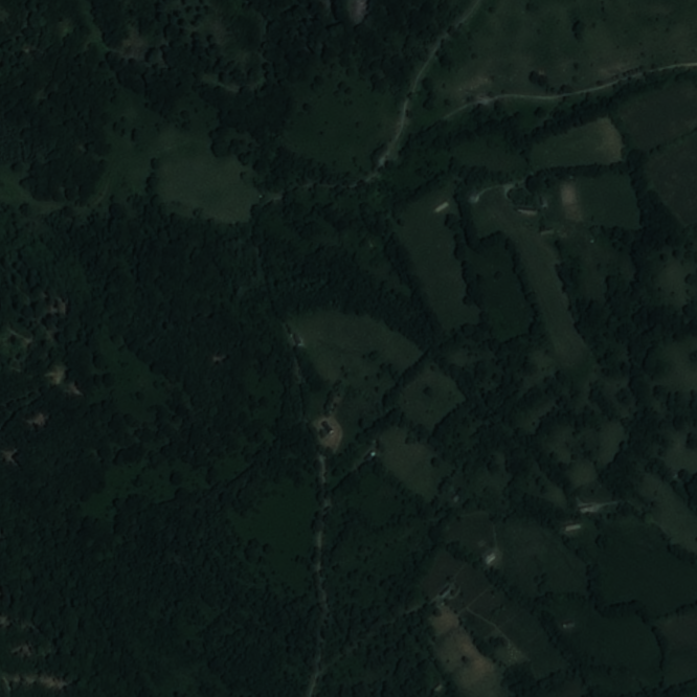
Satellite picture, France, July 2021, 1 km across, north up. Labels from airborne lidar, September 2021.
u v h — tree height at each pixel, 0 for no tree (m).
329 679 18
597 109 19
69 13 17
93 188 16
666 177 0
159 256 26
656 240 26
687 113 0
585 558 12
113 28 24
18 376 15
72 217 15
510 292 0
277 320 11
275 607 14
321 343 0
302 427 17
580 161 0
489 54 0
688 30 0
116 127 15
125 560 17
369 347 0
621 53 0
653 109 0
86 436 24
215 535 18
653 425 17
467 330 20
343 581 9
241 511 14
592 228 8
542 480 15
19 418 22
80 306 30
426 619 21
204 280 25
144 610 9
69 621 35
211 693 14
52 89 12
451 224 20
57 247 10
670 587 0
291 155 10
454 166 16
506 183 11
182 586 16
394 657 21
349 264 14
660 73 8
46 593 28
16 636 23
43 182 19
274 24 22
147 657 7
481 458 6
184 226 18
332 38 22
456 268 0
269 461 9
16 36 9
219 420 22
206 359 25
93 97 28
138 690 10
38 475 22
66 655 33
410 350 0
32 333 23
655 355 21
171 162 0
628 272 0
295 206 21
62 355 21
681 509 0
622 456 16
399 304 12
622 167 19
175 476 17
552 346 0
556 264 0
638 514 13
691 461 0
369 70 11
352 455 9
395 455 0
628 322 11
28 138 25
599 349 10
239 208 0
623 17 0
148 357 18
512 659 0
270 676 15
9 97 21
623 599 0
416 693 10
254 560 12
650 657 0
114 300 22
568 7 0
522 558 0
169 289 25
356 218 8
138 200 16
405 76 15
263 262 8
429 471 0
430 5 11
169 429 18
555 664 0
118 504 24
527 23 0
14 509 25
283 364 20
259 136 19
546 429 19
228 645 14
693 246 13
